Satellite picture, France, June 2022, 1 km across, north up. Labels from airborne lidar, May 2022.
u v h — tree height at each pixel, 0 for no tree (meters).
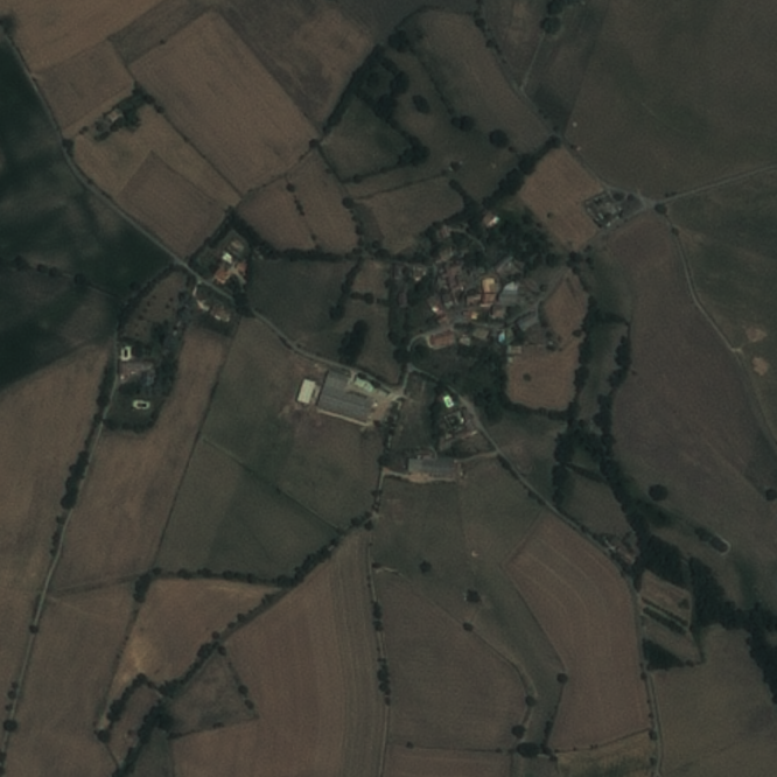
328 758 0
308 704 0
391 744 0
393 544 0
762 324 0
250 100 0
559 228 0
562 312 0
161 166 0
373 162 0
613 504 0
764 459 0
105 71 0
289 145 0
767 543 0
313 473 0
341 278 0
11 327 0
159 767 0
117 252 0
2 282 0
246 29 0
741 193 0
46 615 0
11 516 0
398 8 0
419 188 0
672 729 0
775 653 22
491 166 0
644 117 0
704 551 0
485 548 0
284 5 0
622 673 0
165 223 0
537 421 0
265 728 0
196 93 0
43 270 15
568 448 22
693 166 0
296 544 0
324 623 0
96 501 0
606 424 21
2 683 0
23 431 0
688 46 0
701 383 0
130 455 0
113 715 11
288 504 0
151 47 0
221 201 0
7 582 0
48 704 0
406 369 9
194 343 0
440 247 9
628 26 0
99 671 0
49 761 0
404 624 0
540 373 0
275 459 0
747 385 0
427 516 0
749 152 0
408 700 0
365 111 0
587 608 0
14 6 0
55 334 0
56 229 0
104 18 0
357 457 0
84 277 11
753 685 0
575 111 0
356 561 0
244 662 0
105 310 0
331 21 0
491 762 0
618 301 0
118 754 0
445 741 0
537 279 0
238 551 0
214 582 0
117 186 0
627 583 0
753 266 0
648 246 0
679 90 0
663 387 0
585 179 0
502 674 0
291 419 0
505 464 9
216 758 0
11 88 0
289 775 0
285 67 0
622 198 6
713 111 0
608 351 0
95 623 0
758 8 0
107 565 0
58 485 0
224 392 0
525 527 0
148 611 0
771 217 0
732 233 0
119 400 0
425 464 0
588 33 0
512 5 0
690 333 0
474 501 0
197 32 0
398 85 16
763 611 18
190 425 0
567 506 0
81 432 0
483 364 7
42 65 0
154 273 0
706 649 0
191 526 0
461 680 0
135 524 0
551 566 0
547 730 8
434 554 0
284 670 0
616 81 0
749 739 0
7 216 0
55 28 0
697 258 0
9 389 0
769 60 0
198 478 0
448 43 0
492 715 0
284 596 0
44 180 0
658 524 0
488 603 0
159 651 0
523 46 0
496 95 0
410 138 10
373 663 0
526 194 0
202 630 0
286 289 0
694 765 0
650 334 0
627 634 0
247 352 0
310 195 0
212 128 0
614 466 21
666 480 0
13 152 0
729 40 0
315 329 0
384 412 0
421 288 13
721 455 0
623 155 0
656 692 0
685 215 0
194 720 0
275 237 0
